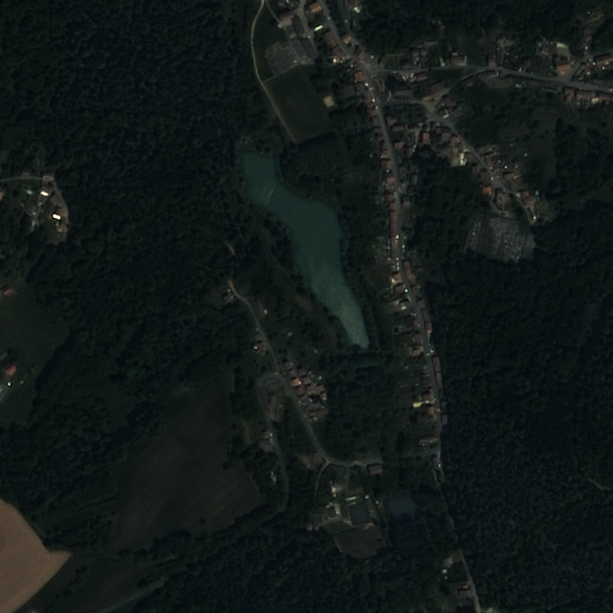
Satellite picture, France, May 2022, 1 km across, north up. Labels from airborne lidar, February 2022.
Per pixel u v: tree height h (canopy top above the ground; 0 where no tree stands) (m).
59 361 23
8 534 0
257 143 15
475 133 0
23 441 21
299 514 9
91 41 33
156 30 18
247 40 0
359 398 24
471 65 0
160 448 0
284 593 24
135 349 29
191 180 12
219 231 12
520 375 27
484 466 28
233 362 15
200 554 17
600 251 16
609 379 22
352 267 11
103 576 0
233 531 16
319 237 0
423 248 16
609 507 11
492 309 17
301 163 26
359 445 0
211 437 0
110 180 23
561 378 29
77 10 32
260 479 18
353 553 0
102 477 31
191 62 35
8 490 18
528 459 8
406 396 0
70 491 31
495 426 18
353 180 0
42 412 13
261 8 0
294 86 0
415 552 30
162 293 15
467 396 25
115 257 17
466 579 6
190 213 24
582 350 0
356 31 6
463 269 21
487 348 18
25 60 18
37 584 0
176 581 24
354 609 30
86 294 18
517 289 29
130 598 0
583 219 21
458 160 0
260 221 0
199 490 0
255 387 15
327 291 0
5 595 0
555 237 22
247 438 0
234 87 36
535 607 24
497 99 0
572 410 18
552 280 25
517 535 20
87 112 17
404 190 0
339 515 0
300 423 0
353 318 0
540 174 0
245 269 34
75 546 12
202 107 34
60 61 25
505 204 0
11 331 0
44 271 23
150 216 15
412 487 23
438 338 19
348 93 0
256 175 0
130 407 0
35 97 21
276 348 0
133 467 0
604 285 28
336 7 6
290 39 0
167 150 15
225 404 0
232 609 13
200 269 19
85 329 20
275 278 13
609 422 9
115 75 34
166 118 31
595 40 12
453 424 18
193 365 9
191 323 19
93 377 26
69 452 29
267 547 33
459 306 23
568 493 24
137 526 0
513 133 0
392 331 0
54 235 0
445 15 15
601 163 18
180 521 0
